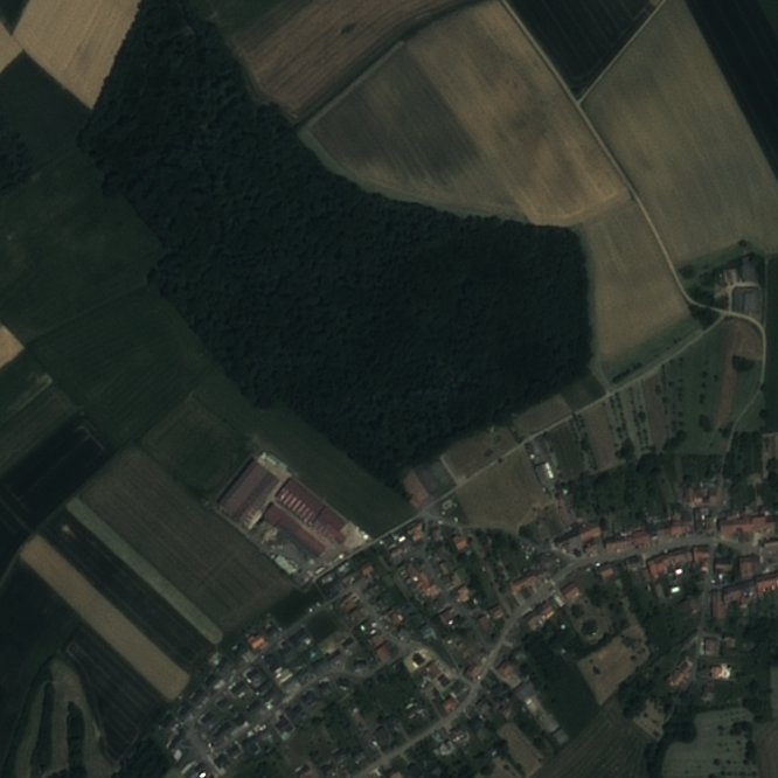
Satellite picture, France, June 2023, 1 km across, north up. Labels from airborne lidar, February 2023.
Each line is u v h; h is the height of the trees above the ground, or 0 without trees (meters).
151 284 9
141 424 0
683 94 0
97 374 0
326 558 0
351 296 28
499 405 16
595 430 0
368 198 16
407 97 0
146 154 28
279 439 0
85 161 0
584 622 0
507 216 0
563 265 15
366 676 0
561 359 20
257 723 0
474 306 24
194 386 0
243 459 0
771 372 0
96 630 0
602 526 11
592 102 0
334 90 0
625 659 0
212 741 0
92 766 0
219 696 0
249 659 0
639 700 14
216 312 25
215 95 24
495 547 7
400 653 0
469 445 0
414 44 0
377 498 0
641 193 0
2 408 0
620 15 0
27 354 0
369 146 0
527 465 0
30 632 0
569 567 0
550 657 7
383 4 0
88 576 0
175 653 0
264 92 0
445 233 19
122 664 0
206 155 24
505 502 0
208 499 0
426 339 15
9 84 0
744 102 0
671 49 0
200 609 0
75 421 0
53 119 0
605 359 0
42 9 0
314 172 22
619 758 0
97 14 0
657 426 0
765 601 0
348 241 29
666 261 0
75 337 0
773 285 0
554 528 0
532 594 0
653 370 0
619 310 0
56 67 0
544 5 0
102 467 0
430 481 0
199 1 0
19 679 0
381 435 21
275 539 0
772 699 0
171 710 0
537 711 0
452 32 0
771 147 0
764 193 0
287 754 0
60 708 0
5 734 0
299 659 0
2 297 0
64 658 0
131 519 0
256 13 0
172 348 0
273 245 24
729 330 0
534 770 0
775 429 0
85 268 0
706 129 0
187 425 0
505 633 0
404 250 24
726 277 0
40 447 0
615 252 0
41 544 0
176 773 0
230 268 25
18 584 0
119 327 0
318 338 26
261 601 0
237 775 0
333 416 17
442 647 0
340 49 0
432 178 0
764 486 0
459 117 0
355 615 0
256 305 25
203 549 0
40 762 6
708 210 0
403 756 0
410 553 0
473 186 0
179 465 0
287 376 23
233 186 23
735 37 0
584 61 0
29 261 0
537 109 0
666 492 0
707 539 0
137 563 0
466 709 0
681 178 0
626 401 0
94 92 0
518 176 0
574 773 0
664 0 0
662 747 12
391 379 14
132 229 0
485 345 19
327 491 0
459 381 7
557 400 0
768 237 0
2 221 0
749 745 7
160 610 0
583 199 0
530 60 0
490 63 0
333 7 0
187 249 19
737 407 0
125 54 13
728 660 0
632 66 0
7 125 11
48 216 0
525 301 15
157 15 22
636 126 0
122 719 0
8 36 0
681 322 0
